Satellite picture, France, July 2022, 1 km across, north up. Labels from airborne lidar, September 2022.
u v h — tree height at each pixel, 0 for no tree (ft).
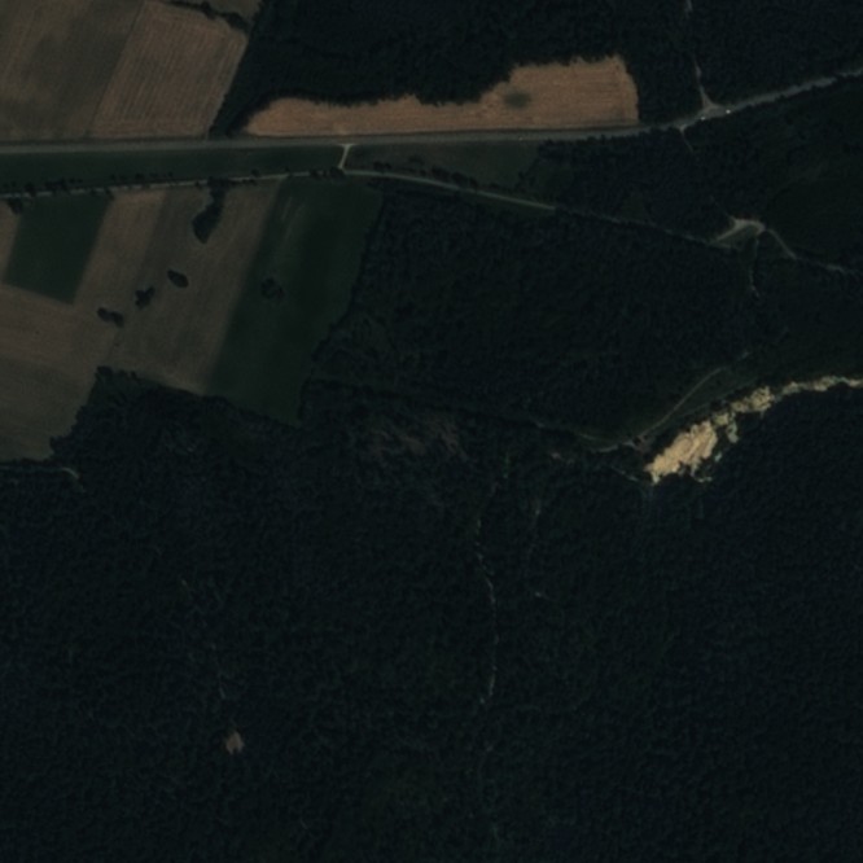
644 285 52
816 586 91
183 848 93
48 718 114
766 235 29
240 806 103
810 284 37
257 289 0
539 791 59
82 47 0
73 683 27
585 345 74
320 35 28
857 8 63
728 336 54
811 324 51
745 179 35
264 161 0
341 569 58
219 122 18
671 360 24
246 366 0
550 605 58
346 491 72
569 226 54
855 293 84
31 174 0
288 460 61
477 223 78
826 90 27
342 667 94
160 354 0
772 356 30
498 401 66
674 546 44
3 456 0
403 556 68
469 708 74
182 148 0
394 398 60
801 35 64
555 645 37
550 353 71
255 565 64
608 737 85
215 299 0
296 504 52
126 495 28
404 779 75
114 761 102
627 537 39
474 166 0
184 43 0
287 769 81
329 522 75
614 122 0
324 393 91
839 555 92
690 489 88
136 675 73
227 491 54
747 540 86
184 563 53
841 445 80
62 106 0
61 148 0
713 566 92
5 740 107
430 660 103
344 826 98
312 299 0
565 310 54
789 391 0
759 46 63
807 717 106
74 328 0
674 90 60
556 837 48
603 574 66
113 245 0
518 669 50
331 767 27
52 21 0
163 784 83
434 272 59
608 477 60
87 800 94
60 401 0
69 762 107
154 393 43
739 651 104
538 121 0
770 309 61
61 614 59
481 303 95
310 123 0
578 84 0
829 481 76
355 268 0
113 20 0
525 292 69
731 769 94
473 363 57
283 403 0
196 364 0
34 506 65
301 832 24
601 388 88
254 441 47
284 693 74
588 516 59
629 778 89
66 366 0
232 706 78
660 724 73
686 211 60
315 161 0
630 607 26
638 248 82
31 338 0
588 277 64
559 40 70
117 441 65
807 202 21
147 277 0
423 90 59
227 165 0
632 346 67
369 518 54
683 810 81
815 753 99
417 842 52
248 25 46
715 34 64
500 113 0
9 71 0
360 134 0
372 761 43
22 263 0
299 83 18
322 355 51
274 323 0
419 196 73
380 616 65
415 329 78
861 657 96
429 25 45
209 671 104
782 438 83
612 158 81
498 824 47
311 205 0
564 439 77
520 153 0
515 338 60
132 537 47
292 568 101
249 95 21
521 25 70
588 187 85
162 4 0
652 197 51
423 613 83
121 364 0
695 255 65
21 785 95
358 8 78
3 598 70
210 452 61
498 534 65
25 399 0
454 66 70
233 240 0
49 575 101
